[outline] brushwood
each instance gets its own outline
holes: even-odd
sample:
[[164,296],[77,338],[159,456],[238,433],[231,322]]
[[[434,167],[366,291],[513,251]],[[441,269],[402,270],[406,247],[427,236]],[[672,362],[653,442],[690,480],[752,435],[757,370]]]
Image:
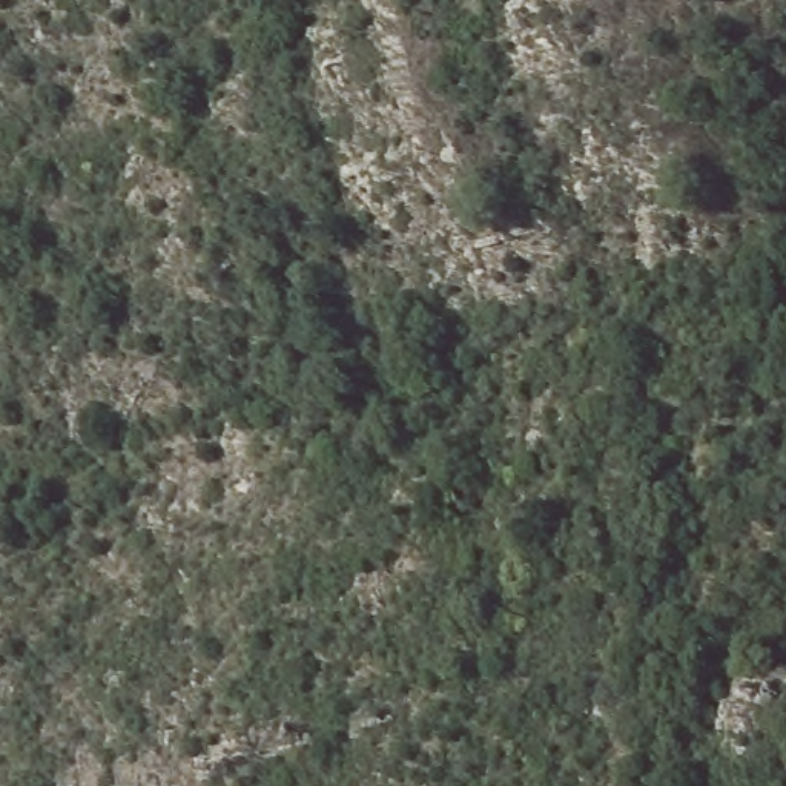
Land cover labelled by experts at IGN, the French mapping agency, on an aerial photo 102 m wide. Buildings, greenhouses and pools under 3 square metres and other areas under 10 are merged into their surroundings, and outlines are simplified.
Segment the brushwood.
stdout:
[[709,786],[786,786],[786,685],[771,682],[768,700],[746,706],[746,731],[740,734],[740,743],[746,746],[743,755],[725,752],[718,746],[715,731],[706,743],[694,746],[694,758],[709,765]]
[[[461,292],[461,286],[430,286],[430,270],[445,267],[442,258],[433,258],[433,249],[448,249],[451,236],[445,233],[430,243],[393,246],[390,233],[375,224],[372,212],[353,212],[344,200],[347,187],[341,184],[341,178],[359,172],[356,163],[341,163],[338,154],[338,141],[350,138],[353,144],[362,144],[375,154],[381,172],[393,172],[393,181],[381,181],[372,187],[372,200],[387,203],[387,197],[393,193],[408,193],[411,200],[421,200],[421,206],[433,206],[433,197],[421,190],[418,181],[408,181],[408,169],[421,172],[421,163],[411,154],[402,160],[387,160],[387,147],[402,144],[402,132],[384,135],[378,129],[359,126],[347,111],[347,101],[338,104],[335,120],[322,123],[316,117],[316,77],[310,74],[313,43],[307,40],[310,25],[335,28],[344,37],[347,89],[368,89],[372,101],[378,104],[399,101],[381,83],[384,52],[368,34],[375,15],[365,12],[362,0],[0,0],[0,786],[685,786],[682,752],[672,740],[672,728],[654,709],[660,700],[666,700],[666,688],[654,688],[654,669],[660,660],[654,651],[669,648],[679,614],[672,602],[654,605],[648,614],[639,611],[642,590],[648,590],[660,565],[660,540],[669,519],[663,482],[648,482],[648,470],[672,448],[691,454],[694,445],[712,445],[706,457],[694,457],[694,479],[712,479],[728,467],[731,451],[740,451],[746,430],[755,427],[755,414],[722,414],[728,393],[725,347],[731,347],[731,338],[722,310],[709,313],[697,304],[700,264],[709,264],[712,276],[722,270],[722,258],[728,255],[728,236],[740,233],[743,212],[734,175],[722,160],[722,147],[703,129],[679,123],[691,86],[700,77],[712,83],[722,77],[700,55],[691,58],[691,49],[682,46],[679,37],[703,18],[709,18],[718,37],[740,49],[746,64],[765,83],[765,89],[755,98],[746,101],[746,114],[761,114],[774,98],[786,95],[786,0],[571,0],[577,34],[593,34],[593,28],[599,25],[611,28],[611,40],[605,49],[586,52],[580,58],[580,74],[562,77],[571,92],[577,92],[577,104],[562,123],[556,123],[550,138],[537,141],[534,129],[553,92],[540,74],[528,74],[522,80],[513,71],[513,43],[500,31],[507,25],[507,0],[390,0],[405,18],[408,37],[433,40],[433,55],[439,58],[439,64],[427,74],[424,86],[430,86],[433,95],[442,92],[448,111],[461,117],[457,132],[451,138],[457,163],[454,184],[473,181],[476,175],[494,184],[494,197],[485,203],[491,209],[491,230],[500,233],[510,227],[534,227],[534,221],[547,221],[553,227],[553,239],[565,246],[568,261],[550,270],[547,289],[537,298],[531,295],[525,301],[504,304],[497,298],[473,298],[454,313],[448,301]],[[68,111],[74,104],[74,92],[58,83],[58,71],[83,74],[83,64],[49,52],[37,52],[31,58],[21,52],[18,40],[34,37],[34,43],[43,43],[43,37],[92,34],[92,18],[98,9],[111,15],[132,40],[129,49],[114,49],[114,74],[132,83],[132,92],[141,98],[144,111],[141,117],[123,117],[117,123],[98,126],[95,132],[77,135],[64,126]],[[236,138],[230,126],[209,114],[209,104],[224,98],[224,83],[236,71],[249,77],[246,138]],[[626,175],[602,169],[599,190],[593,190],[586,200],[577,200],[574,181],[593,178],[593,169],[586,163],[568,160],[571,154],[583,154],[583,126],[590,126],[596,135],[596,154],[614,144],[620,154],[629,157],[629,144],[636,144],[639,135],[651,135],[651,144],[663,154],[657,187],[639,190],[626,181]],[[126,166],[129,144],[138,144],[138,150],[147,160],[172,166],[175,172],[184,172],[193,181],[193,193],[181,193],[184,203],[175,224],[163,221],[166,200],[144,200],[144,187],[150,187],[150,181],[144,181],[144,175]],[[639,206],[651,206],[654,227],[663,227],[669,239],[679,246],[675,258],[657,261],[654,267],[645,267],[639,261]],[[169,286],[157,282],[157,246],[166,236],[181,236],[197,255],[206,255],[206,267],[197,273],[197,286],[209,292],[206,304],[181,298]],[[381,338],[375,325],[356,322],[353,313],[347,270],[359,264],[372,264],[378,270],[390,267],[402,273],[402,286],[408,289],[405,301],[411,301],[414,307],[421,304],[433,316],[421,338],[421,362],[436,365],[442,372],[442,384],[451,390],[454,399],[461,399],[457,418],[445,418],[405,454],[396,454],[390,461],[396,467],[393,473],[378,473],[372,464],[353,464],[353,457],[338,467],[332,442],[307,430],[310,411],[289,408],[279,402],[273,375],[264,368],[267,359],[261,356],[261,344],[273,332],[276,298],[289,292],[289,282],[310,279],[316,292],[316,316],[338,332],[329,347],[332,362],[344,375],[344,393],[338,402],[344,411],[362,414],[365,399],[378,384],[375,365],[381,359]],[[629,347],[639,325],[654,329],[657,335],[672,341],[672,359],[654,378],[636,365],[636,353]],[[197,387],[203,408],[160,408],[154,418],[123,418],[107,402],[92,402],[77,418],[80,436],[68,439],[64,402],[52,399],[37,381],[43,359],[49,356],[52,344],[58,344],[58,375],[68,378],[71,365],[86,359],[89,353],[114,356],[117,335],[126,338],[129,350],[141,350],[154,362],[154,372],[175,381],[175,387]],[[467,430],[482,436],[482,454],[491,470],[491,485],[485,488],[482,507],[473,516],[457,519],[442,507],[433,507],[433,485],[445,482],[445,442]],[[252,454],[255,485],[236,482],[243,500],[233,522],[203,522],[193,513],[178,516],[175,510],[169,510],[181,488],[169,485],[166,491],[160,491],[157,485],[163,476],[160,467],[172,461],[172,436],[197,436],[197,454],[203,461],[221,461],[224,451],[230,451],[233,457],[243,457],[246,451]],[[562,519],[556,537],[540,534],[537,543],[525,543],[519,550],[510,534],[510,522],[525,516],[525,500],[550,497],[571,500],[571,516]]]

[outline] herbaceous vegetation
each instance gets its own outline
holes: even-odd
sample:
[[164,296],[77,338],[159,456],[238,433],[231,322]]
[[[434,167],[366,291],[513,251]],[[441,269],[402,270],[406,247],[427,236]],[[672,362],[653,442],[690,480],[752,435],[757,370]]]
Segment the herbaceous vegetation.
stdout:
[[203,461],[197,454],[197,436],[172,436],[172,461],[160,467],[163,476],[157,485],[160,491],[166,491],[169,485],[181,488],[169,510],[175,510],[178,516],[193,513],[203,522],[233,522],[243,500],[236,482],[255,485],[252,454],[246,451],[243,457],[233,457],[230,451],[224,451],[221,461]]
[[249,77],[236,71],[224,83],[224,98],[209,104],[209,114],[230,126],[236,138],[246,138]]
[[316,117],[322,123],[335,120],[338,104],[347,101],[347,111],[359,126],[378,129],[384,135],[402,132],[402,144],[387,147],[387,160],[402,160],[411,154],[421,163],[421,172],[408,169],[408,181],[418,181],[421,190],[433,197],[433,206],[421,206],[421,200],[411,200],[408,193],[393,193],[387,197],[387,203],[372,200],[372,187],[381,181],[393,181],[393,172],[381,172],[375,154],[362,144],[353,144],[350,138],[338,141],[338,154],[341,163],[356,163],[359,172],[341,178],[341,184],[347,187],[344,200],[353,212],[372,212],[375,224],[390,233],[393,246],[430,243],[445,233],[451,236],[448,249],[433,249],[433,258],[442,258],[445,267],[430,270],[430,286],[461,286],[461,292],[448,301],[454,313],[473,298],[497,298],[504,304],[525,301],[531,295],[537,298],[547,289],[550,270],[568,261],[565,246],[553,239],[553,227],[547,221],[534,221],[534,227],[510,227],[500,233],[491,230],[476,239],[461,233],[461,221],[448,212],[454,184],[457,163],[451,138],[457,132],[461,117],[448,111],[442,92],[433,95],[430,86],[424,86],[427,74],[439,64],[439,58],[433,55],[433,40],[408,37],[405,18],[390,0],[362,0],[365,12],[375,15],[368,34],[384,52],[381,83],[399,101],[378,104],[372,101],[368,89],[347,89],[344,37],[335,28],[310,25],[307,40],[313,43],[310,74],[316,77]]
[[639,261],[645,267],[654,267],[657,261],[675,258],[679,246],[669,239],[663,227],[654,227],[651,206],[639,206]]
[[169,286],[181,298],[206,304],[209,292],[197,286],[197,273],[206,267],[206,255],[197,255],[181,236],[166,236],[157,246],[157,282]]
[[184,203],[181,193],[193,193],[193,181],[184,172],[175,172],[172,166],[147,160],[138,150],[138,144],[129,144],[126,166],[144,175],[144,181],[150,181],[150,187],[144,187],[144,200],[166,200],[163,221],[175,224]]
[[611,40],[611,28],[599,25],[593,28],[593,34],[577,34],[571,0],[507,0],[507,25],[500,31],[513,43],[513,71],[522,80],[528,74],[540,74],[553,92],[534,129],[537,141],[550,138],[556,123],[562,123],[577,104],[577,92],[571,92],[562,77],[580,74],[580,58],[586,52],[605,49]]
[[111,15],[98,9],[92,18],[92,34],[43,37],[43,43],[34,43],[34,37],[18,40],[21,52],[31,58],[37,52],[49,52],[83,64],[83,74],[58,71],[58,83],[74,92],[74,104],[68,111],[64,126],[77,135],[95,132],[98,126],[117,123],[123,117],[141,117],[144,111],[141,98],[132,92],[132,83],[114,74],[114,49],[129,49],[132,40]]
[[583,126],[583,154],[571,154],[568,160],[586,163],[593,169],[593,178],[574,181],[577,200],[586,200],[593,190],[599,190],[602,169],[626,175],[626,181],[639,190],[657,187],[663,154],[651,144],[651,135],[639,135],[636,144],[629,144],[629,157],[620,154],[614,144],[596,154],[596,135],[590,126]]
[[49,356],[43,359],[37,381],[52,399],[64,402],[68,439],[80,436],[77,418],[92,402],[107,402],[123,418],[154,418],[160,408],[203,408],[197,387],[175,387],[175,381],[154,372],[154,362],[141,350],[129,350],[126,338],[117,335],[114,356],[89,353],[86,359],[71,365],[68,378],[58,375],[58,344],[52,344]]

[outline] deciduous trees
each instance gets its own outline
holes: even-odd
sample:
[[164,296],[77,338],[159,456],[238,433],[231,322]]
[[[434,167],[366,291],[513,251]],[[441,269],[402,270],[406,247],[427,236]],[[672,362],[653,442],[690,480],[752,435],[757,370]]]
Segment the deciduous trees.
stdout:
[[473,516],[482,507],[485,488],[491,485],[491,470],[482,454],[482,436],[467,430],[445,442],[445,482],[433,485],[433,507],[442,507],[457,519]]
[[525,500],[525,516],[510,522],[510,534],[519,550],[525,543],[537,543],[540,534],[556,537],[562,519],[571,516],[571,500],[550,497]]
[[697,304],[709,313],[722,310],[731,338],[731,347],[725,347],[728,393],[722,414],[755,414],[755,427],[746,430],[740,451],[731,451],[728,467],[712,479],[694,479],[694,457],[706,457],[712,445],[694,445],[691,454],[672,448],[648,470],[648,482],[663,482],[669,519],[660,540],[660,565],[648,590],[642,590],[639,611],[648,614],[654,605],[672,602],[679,614],[669,648],[654,651],[660,660],[654,669],[654,688],[666,688],[666,700],[660,700],[654,709],[672,728],[672,740],[682,752],[685,786],[709,786],[709,765],[694,758],[694,746],[706,743],[715,731],[718,703],[731,694],[734,679],[786,669],[786,95],[774,98],[761,114],[746,114],[746,101],[755,98],[765,89],[765,83],[746,64],[740,49],[718,37],[709,18],[703,18],[679,37],[682,46],[691,49],[691,58],[700,55],[722,77],[712,83],[700,77],[691,86],[679,123],[703,129],[722,147],[722,160],[734,175],[743,212],[740,233],[728,236],[728,255],[722,258],[722,270],[712,276],[709,264],[700,264]]
[[657,335],[654,329],[639,325],[629,347],[636,353],[636,365],[654,378],[672,359],[672,341]]
[[476,239],[491,230],[491,209],[485,203],[494,197],[494,184],[476,175],[473,181],[454,184],[448,212],[461,221],[461,233]]
[[445,418],[457,418],[461,399],[454,399],[451,390],[442,384],[442,372],[436,365],[421,362],[421,338],[433,316],[421,304],[414,307],[411,301],[405,301],[408,289],[402,286],[402,273],[390,267],[378,270],[372,264],[359,264],[347,270],[353,313],[356,322],[375,325],[381,338],[381,359],[375,365],[378,384],[365,399],[362,414],[344,411],[338,402],[344,393],[344,375],[332,362],[329,347],[338,332],[316,316],[316,292],[310,279],[289,282],[289,292],[276,298],[273,332],[261,344],[261,356],[267,359],[264,368],[273,375],[279,402],[289,408],[310,411],[307,430],[332,442],[338,467],[353,457],[353,464],[372,464],[378,473],[393,473],[396,467],[390,461],[396,454],[405,454]]

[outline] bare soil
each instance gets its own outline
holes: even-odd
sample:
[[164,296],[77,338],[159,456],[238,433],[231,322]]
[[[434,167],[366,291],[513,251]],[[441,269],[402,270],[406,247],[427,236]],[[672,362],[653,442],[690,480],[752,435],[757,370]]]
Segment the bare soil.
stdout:
[[746,746],[740,743],[740,734],[746,731],[746,706],[768,700],[771,682],[786,685],[786,669],[734,679],[731,694],[718,703],[715,731],[718,746],[725,752],[743,755]]

